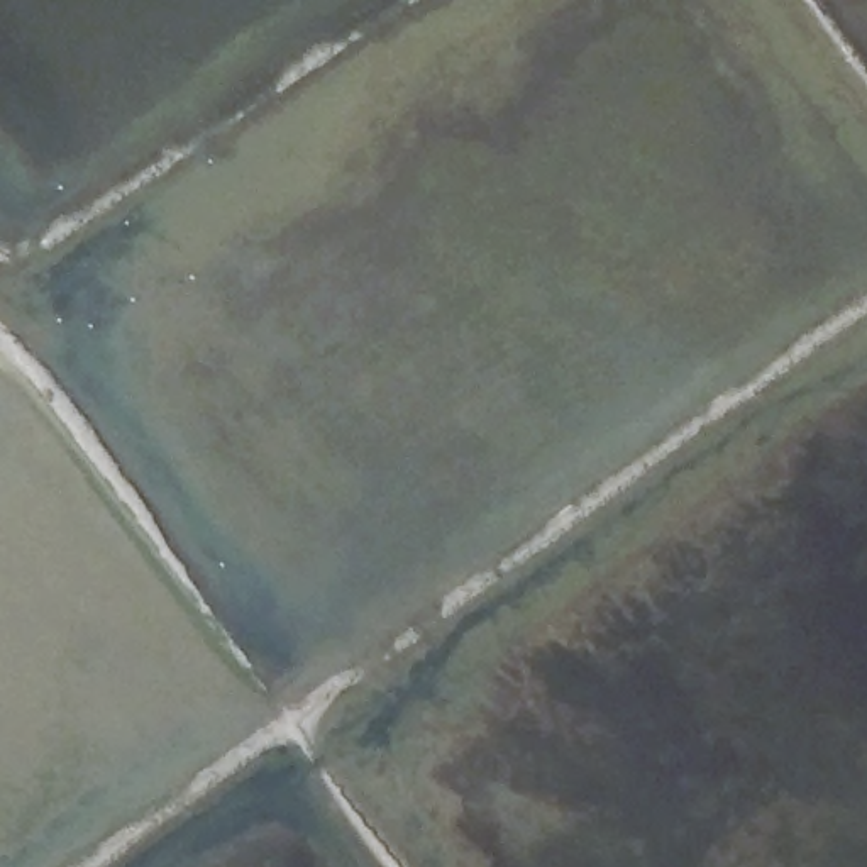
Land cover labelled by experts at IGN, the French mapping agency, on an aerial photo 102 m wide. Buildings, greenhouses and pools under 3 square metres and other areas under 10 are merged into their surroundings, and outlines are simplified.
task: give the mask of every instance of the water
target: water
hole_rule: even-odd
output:
[[[288,91],[274,88],[274,81],[295,61],[301,61],[312,47],[332,41],[342,44],[342,54],[329,58],[325,64],[298,78]],[[366,850],[366,843],[356,837],[345,816],[332,806],[322,786],[322,772],[335,776],[349,803],[359,809],[366,826],[383,840],[383,847],[400,860],[400,867],[867,867],[867,315],[840,335],[833,335],[830,342],[816,345],[799,366],[772,379],[748,403],[728,410],[711,427],[701,427],[698,437],[681,444],[667,461],[660,461],[616,498],[610,498],[589,518],[576,522],[555,545],[528,559],[522,569],[505,572],[501,559],[532,542],[559,515],[559,508],[593,494],[606,478],[620,474],[627,464],[654,450],[674,430],[681,430],[688,420],[704,413],[715,396],[745,386],[772,359],[789,352],[803,335],[826,325],[833,315],[840,315],[867,295],[867,91],[853,81],[833,44],[823,37],[823,30],[813,24],[799,0],[0,0],[0,244],[7,247],[27,237],[44,237],[51,224],[85,210],[112,186],[132,179],[166,149],[190,146],[186,159],[179,159],[169,173],[146,183],[129,200],[115,203],[102,220],[68,234],[54,247],[41,247],[37,254],[27,254],[20,261],[0,261],[0,325],[61,386],[61,393],[88,423],[88,430],[112,457],[125,484],[139,494],[166,545],[210,603],[210,613],[196,613],[179,583],[152,552],[149,538],[139,532],[129,508],[112,494],[112,488],[78,450],[68,427],[54,413],[47,417],[30,403],[30,383],[17,369],[0,369],[0,867],[75,867],[88,860],[119,830],[166,806],[173,786],[190,786],[200,776],[200,769],[213,765],[244,738],[278,721],[281,711],[298,708],[322,681],[342,671],[359,671],[362,681],[342,688],[335,701],[325,708],[325,715],[315,725],[315,748],[308,759],[298,752],[298,745],[264,748],[220,786],[207,789],[190,813],[142,837],[129,853],[122,853],[108,867],[379,867],[379,860]],[[478,572],[491,572],[494,586],[484,589],[461,613],[444,616],[444,596]]]
[[[867,0],[816,0],[867,68]]]

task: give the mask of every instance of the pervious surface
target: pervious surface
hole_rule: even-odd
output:
[[[342,671],[322,681],[298,708],[281,711],[278,721],[244,738],[213,765],[200,769],[200,776],[190,786],[173,786],[166,806],[119,830],[88,860],[75,867],[108,867],[122,853],[129,853],[142,837],[190,813],[207,789],[220,786],[264,748],[298,745],[298,752],[308,759],[315,748],[315,725],[325,715],[325,708],[335,701],[342,688],[362,681],[359,671]]]
[[[68,427],[78,450],[112,488],[112,494],[129,508],[139,532],[149,538],[152,552],[179,583],[196,613],[210,613],[210,603],[166,545],[139,494],[125,484],[112,457],[88,430],[88,423],[61,393],[61,386],[0,325],[0,369],[17,369],[30,383],[30,403],[47,417],[54,413]]]
[[[298,78],[325,64],[329,58],[342,54],[342,44],[332,41],[312,47],[301,61],[295,61],[274,81],[274,88],[288,91]]]
[[[186,159],[190,146],[166,149],[132,179],[112,186],[85,210],[51,224],[44,237],[27,237],[7,247],[0,244],[0,261],[20,261],[27,254],[37,254],[41,247],[54,247],[68,234],[102,220],[115,203],[129,200],[146,183],[169,173],[179,159]]]
[[[559,515],[532,542],[501,559],[505,572],[522,569],[528,559],[555,545],[576,522],[589,518],[610,498],[616,498],[660,461],[667,461],[681,444],[698,437],[701,427],[711,427],[728,410],[748,403],[772,379],[799,366],[816,345],[830,342],[833,335],[840,335],[867,315],[867,295],[840,315],[833,315],[826,325],[803,335],[789,352],[772,359],[745,386],[715,396],[704,413],[688,420],[681,430],[674,430],[654,450],[627,464],[620,474],[606,478],[593,494],[559,508]]]
[[[356,837],[366,843],[366,850],[379,860],[379,867],[400,867],[400,860],[383,847],[383,840],[366,826],[359,809],[349,803],[335,776],[322,772],[322,786],[332,806],[345,816]]]
[[[484,589],[494,586],[491,572],[478,572],[444,596],[444,616],[461,613]]]
[[[813,24],[823,30],[823,37],[833,44],[853,81],[867,91],[867,68],[816,0],[799,0]]]

